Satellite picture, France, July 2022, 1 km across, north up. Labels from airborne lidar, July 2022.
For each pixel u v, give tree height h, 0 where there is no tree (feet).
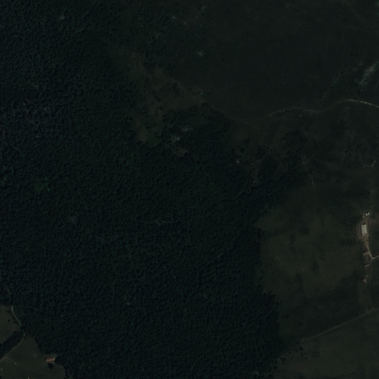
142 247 30
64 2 29
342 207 0
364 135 0
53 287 39
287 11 0
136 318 46
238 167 22
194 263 45
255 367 51
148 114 18
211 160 30
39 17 53
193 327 36
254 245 43
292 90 0
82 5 36
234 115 0
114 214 63
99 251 65
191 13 0
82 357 59
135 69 0
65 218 63
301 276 0
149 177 46
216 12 0
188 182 49
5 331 0
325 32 0
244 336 53
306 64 0
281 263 0
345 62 0
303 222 0
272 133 0
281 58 0
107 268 62
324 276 0
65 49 59
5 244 46
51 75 66
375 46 0
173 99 0
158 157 60
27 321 39
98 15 42
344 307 0
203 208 30
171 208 42
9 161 66
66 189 60
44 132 70
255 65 0
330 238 0
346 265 0
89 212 46
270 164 23
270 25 0
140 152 35
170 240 51
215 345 37
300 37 0
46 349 33
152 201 61
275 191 19
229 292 56
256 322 43
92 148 29
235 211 35
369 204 0
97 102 34
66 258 44
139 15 18
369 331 0
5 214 58
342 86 0
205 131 29
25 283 79
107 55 22
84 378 62
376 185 0
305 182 0
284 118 0
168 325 33
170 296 36
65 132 55
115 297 34
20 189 63
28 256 55
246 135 0
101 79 35
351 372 0
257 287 31
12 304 57
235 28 0
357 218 0
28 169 66
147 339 38
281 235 0
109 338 45
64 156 44
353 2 0
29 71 59
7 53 55
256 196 34
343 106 0
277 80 0
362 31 0
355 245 0
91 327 55
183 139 34
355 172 0
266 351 38
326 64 0
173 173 42
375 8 0
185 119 23
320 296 0
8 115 66
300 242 0
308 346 0
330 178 0
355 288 0
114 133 30
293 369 0
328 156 0
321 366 0
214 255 46
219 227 31
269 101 0
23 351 0
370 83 0
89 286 59
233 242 34
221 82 0
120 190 66
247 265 39
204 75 0
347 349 0
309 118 0
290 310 0
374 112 0
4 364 0
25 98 47
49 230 40
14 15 38
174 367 49
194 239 29
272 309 24
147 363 32
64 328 46
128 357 54
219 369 48
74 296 73
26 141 64
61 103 49
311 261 0
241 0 0
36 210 55
